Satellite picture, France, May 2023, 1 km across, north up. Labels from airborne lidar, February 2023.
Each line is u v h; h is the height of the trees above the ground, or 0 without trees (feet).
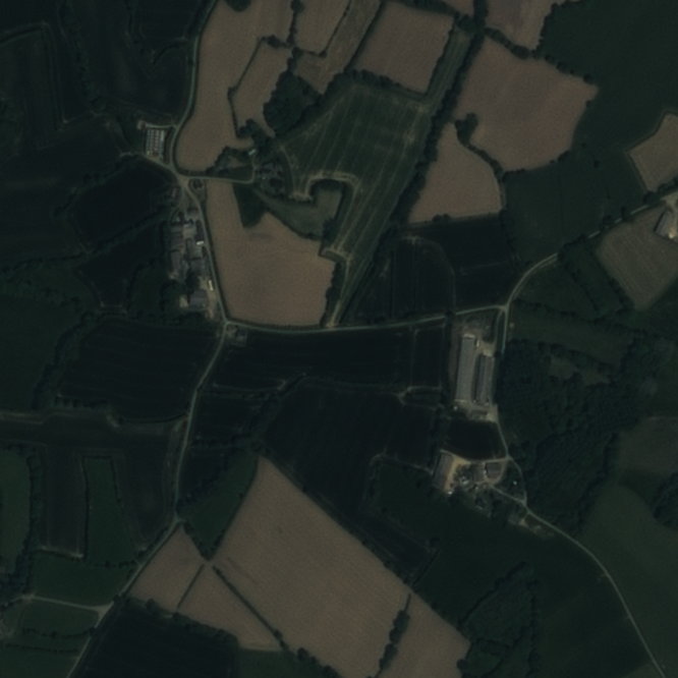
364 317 0
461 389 0
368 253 0
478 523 0
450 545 0
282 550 0
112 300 0
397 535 0
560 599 0
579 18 0
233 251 0
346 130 0
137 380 0
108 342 0
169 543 0
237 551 0
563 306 0
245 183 0
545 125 0
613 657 0
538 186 0
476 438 0
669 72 0
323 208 0
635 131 0
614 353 0
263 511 0
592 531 0
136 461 0
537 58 39
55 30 0
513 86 0
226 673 0
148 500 0
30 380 0
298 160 0
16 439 0
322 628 0
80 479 0
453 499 31
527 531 0
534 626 39
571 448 94
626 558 0
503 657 49
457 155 0
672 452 0
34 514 46
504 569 0
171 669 0
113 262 0
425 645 0
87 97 51
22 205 0
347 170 0
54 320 0
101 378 0
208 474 0
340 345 0
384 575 0
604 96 0
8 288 60
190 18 0
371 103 0
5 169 0
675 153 0
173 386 0
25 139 0
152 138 0
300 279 0
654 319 0
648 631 0
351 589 0
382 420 0
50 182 0
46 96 0
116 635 0
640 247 0
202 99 0
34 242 0
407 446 0
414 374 0
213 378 0
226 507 0
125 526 0
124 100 0
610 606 0
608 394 57
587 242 52
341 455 0
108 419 0
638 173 0
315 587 0
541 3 0
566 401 25
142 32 0
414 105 0
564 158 32
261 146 31
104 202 0
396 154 0
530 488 66
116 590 0
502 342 0
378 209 0
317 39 0
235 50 0
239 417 0
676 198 0
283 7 0
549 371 0
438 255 0
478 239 0
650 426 0
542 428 0
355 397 0
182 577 0
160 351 0
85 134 0
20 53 0
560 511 0
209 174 42
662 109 0
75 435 0
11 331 0
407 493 0
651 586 0
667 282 0
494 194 0
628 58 0
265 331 0
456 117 0
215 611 0
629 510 0
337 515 0
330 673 46
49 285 0
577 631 0
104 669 0
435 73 25
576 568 0
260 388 0
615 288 38
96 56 0
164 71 0
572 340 0
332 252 0
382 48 0
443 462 0
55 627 0
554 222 0
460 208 0
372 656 0
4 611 68
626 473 0
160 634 0
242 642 0
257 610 0
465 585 0
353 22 0
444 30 0
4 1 0
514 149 0
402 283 0
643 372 22
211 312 0
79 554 0
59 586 0
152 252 0
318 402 0
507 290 0
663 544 0
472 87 0
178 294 38
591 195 0
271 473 0
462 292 0
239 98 0
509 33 0
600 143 0
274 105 51
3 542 0
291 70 24
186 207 0
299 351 0
